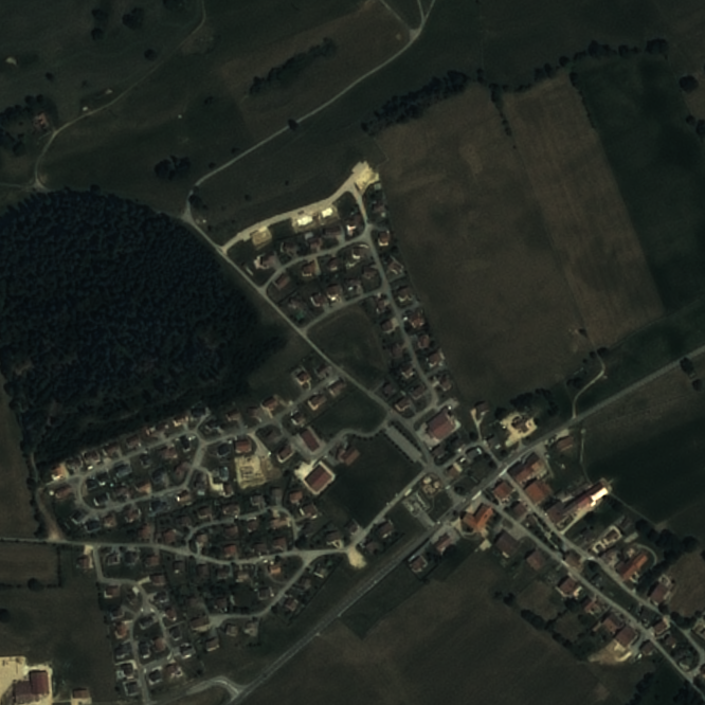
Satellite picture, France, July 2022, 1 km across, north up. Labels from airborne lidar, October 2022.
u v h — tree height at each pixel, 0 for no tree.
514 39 0
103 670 0
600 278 0
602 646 0
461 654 0
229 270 0
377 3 0
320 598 0
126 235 30
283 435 0
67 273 18
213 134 0
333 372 0
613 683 0
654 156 0
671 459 0
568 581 0
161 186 0
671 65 0
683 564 0
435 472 0
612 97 0
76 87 0
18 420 9
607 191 0
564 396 0
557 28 0
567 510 0
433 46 0
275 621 0
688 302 0
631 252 0
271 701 0
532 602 0
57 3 0
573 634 0
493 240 0
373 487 0
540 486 0
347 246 0
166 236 18
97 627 0
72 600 0
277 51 0
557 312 0
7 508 0
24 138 10
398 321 0
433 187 0
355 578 0
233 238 0
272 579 0
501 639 0
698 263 0
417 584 0
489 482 0
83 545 0
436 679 0
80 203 28
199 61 0
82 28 0
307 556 0
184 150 0
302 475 0
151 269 21
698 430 0
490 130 0
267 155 0
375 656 0
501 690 0
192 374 32
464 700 0
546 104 0
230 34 0
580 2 0
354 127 0
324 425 0
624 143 0
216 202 0
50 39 0
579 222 0
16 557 0
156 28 0
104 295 26
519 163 0
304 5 0
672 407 0
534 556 0
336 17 0
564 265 0
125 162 0
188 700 0
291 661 0
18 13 0
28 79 0
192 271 27
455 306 0
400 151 0
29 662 0
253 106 0
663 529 0
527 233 0
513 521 0
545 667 0
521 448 0
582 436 0
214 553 9
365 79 0
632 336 0
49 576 0
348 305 0
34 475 8
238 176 0
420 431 0
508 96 0
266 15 0
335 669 0
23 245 35
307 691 0
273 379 0
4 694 0
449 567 0
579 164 0
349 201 0
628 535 0
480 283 0
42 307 16
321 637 0
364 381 0
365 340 0
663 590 0
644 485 0
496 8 0
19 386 20
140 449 0
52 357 11
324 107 0
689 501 0
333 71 0
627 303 0
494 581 0
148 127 0
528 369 0
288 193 0
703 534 0
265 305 0
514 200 0
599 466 0
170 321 20
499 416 12
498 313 0
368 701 0
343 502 0
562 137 0
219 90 0
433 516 0
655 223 0
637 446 0
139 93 0
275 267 0
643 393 0
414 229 0
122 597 0
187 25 0
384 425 0
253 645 6
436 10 0
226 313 12
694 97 0
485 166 0
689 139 0
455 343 0
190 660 0
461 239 0
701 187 0
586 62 0
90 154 0
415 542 0
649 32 0
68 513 0
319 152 0
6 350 19
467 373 0
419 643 0
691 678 0
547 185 0
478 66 0
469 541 0
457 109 0
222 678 0
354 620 0
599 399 0
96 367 18
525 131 0
